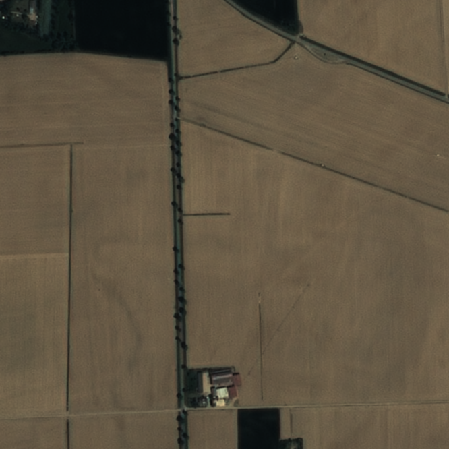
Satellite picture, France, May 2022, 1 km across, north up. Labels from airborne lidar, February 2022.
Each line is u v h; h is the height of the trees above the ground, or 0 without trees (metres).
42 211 0
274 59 0
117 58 0
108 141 0
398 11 0
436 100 0
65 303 0
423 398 0
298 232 0
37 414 0
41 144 0
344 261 0
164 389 0
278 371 0
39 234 0
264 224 0
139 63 0
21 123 0
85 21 0
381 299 0
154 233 0
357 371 0
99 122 0
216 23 0
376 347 0
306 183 0
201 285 0
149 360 0
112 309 0
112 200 0
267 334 0
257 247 0
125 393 0
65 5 0
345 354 0
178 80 0
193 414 0
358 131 0
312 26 0
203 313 0
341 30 0
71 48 15
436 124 0
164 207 0
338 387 0
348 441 0
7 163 0
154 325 0
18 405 0
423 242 0
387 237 0
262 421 0
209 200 0
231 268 0
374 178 0
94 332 0
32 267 0
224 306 0
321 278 0
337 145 0
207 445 0
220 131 0
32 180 0
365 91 0
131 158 0
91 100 0
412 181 0
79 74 0
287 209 0
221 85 0
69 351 0
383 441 0
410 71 0
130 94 0
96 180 0
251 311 0
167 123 0
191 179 0
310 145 0
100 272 0
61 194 0
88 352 0
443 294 0
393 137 0
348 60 0
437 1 0
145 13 0
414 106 0
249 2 0
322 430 0
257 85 0
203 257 0
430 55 0
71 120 0
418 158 0
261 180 0
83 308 0
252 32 0
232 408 0
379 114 0
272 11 0
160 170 0
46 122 0
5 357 0
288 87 0
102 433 0
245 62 0
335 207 0
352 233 0
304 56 0
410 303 0
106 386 0
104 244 0
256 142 0
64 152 0
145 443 0
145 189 0
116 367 0
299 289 0
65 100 0
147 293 0
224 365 0
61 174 0
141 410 0
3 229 0
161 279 0
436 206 0
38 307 0
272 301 0
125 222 0
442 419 0
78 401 0
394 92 0
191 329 0
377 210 0
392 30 0
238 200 0
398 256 0
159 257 0
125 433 0
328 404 0
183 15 0
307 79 0
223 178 0
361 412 0
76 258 0
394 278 0
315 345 0
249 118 0
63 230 0
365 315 0
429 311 0
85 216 0
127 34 0
